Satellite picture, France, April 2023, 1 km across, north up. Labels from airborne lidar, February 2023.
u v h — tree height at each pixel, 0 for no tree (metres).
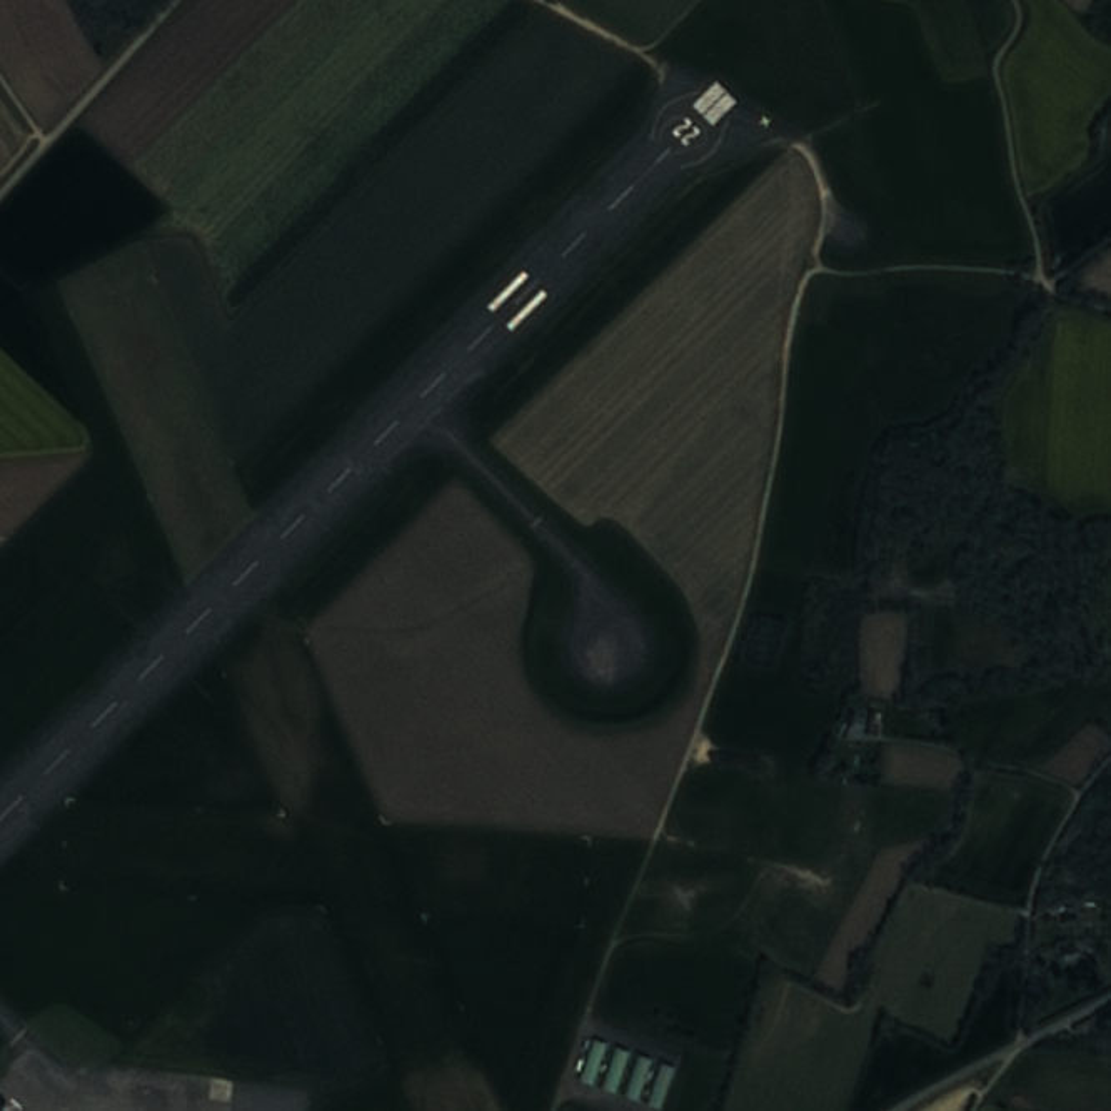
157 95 0
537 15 0
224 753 0
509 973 0
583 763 0
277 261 0
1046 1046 10
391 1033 0
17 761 0
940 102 0
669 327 0
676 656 0
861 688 11
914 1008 0
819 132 0
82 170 0
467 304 0
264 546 0
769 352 0
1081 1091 0
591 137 0
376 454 0
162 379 0
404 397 0
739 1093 0
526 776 0
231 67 0
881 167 0
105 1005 0
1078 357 0
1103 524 11
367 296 0
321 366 0
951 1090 0
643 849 0
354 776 0
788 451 0
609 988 0
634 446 0
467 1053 0
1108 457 0
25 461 0
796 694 0
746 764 0
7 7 0
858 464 0
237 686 0
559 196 0
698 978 0
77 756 0
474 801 0
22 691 0
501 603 0
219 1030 0
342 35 0
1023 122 0
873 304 0
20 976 0
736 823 0
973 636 0
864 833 0
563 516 0
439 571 0
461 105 0
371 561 0
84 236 0
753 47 0
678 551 0
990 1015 0
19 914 0
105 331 0
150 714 0
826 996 10
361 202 0
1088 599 30
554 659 0
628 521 0
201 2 0
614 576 0
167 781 0
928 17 0
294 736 0
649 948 0
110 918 0
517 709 0
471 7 0
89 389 0
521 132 0
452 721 0
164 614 0
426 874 0
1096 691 0
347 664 0
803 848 0
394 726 0
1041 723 0
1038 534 17
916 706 13
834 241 0
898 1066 0
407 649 0
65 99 0
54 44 0
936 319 0
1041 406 0
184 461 0
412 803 0
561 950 0
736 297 0
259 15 0
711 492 0
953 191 0
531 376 0
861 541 6
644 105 0
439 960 0
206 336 0
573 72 0
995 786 0
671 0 0
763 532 0
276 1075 0
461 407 0
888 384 0
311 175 0
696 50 0
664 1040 0
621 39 0
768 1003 0
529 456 0
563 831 0
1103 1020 11
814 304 0
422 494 0
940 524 8
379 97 0
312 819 0
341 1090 0
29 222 0
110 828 0
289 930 0
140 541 0
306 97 0
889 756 0
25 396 0
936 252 0
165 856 0
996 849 0
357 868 0
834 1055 0
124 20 19
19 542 0
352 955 0
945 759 0
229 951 0
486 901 0
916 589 0
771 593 0
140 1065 0
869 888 0
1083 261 8
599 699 0
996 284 0
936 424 6
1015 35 0
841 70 0
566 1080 0
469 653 0
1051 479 0
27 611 0
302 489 0
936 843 13
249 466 0
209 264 0
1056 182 0
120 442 0
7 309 0
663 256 0
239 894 0
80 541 0
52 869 0
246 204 0
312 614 0
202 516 0
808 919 0
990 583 9
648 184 0
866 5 0
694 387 0
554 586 0
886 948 0
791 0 0
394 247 0
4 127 0
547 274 0
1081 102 0
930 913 0
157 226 0
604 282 0
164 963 0
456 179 0
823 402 0
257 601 0
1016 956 8
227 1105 0
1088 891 10
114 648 0
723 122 0
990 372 12
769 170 0
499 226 0
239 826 0
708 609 0
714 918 0
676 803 0
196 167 0
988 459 13
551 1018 0
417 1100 0
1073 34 0
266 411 0
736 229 0
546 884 0
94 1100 0
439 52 0
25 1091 0
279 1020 0
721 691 0
